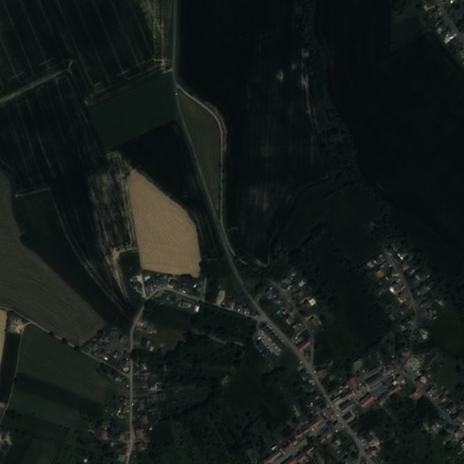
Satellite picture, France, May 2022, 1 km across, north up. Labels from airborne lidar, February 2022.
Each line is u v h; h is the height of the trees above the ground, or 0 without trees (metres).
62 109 0
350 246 0
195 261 0
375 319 0
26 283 0
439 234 0
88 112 0
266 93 0
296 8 0
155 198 0
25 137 0
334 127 0
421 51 0
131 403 0
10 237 0
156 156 0
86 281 0
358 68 0
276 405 0
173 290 0
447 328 0
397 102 0
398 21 0
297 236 0
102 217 0
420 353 0
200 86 0
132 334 0
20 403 0
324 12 0
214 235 0
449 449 12
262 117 0
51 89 0
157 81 0
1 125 0
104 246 0
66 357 0
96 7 0
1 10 0
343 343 0
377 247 0
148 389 0
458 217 0
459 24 10
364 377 0
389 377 0
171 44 0
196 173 0
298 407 0
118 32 0
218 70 0
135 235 0
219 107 0
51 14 0
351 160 17
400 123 0
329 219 0
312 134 0
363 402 0
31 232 0
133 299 0
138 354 7
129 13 0
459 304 18
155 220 0
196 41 0
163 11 0
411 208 0
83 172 0
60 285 0
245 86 0
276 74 0
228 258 0
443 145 0
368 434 0
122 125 0
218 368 0
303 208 0
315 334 0
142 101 0
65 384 0
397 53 0
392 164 0
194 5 0
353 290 0
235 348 9
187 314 0
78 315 0
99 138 0
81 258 0
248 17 0
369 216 0
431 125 0
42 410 0
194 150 0
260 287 10
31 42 0
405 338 10
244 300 0
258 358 0
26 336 0
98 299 0
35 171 0
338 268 0
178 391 0
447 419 0
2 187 0
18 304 0
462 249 0
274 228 0
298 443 0
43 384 0
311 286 11
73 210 0
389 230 16
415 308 0
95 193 0
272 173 0
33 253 0
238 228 0
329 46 0
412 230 0
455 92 0
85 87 0
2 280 0
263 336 0
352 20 0
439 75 0
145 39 0
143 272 0
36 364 0
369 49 0
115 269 0
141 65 0
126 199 0
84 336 0
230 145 0
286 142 0
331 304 13
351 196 0
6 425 0
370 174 0
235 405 0
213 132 0
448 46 0
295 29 0
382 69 0
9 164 0
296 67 0
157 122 0
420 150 0
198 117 0
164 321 0
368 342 0
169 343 0
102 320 0
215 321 0
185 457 0
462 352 0
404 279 0
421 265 18
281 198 0
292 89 0
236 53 0
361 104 0
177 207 0
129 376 0
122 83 0
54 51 0
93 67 0
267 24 0
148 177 6
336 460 0
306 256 8
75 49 0
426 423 7
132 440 0
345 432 0
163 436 0
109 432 13
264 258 0
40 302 0
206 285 0
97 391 0
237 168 0
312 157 0
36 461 0
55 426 0
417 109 0
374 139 0
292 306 0
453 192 0
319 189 0
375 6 0
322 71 12
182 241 0
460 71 0
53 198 0
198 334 6
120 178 0
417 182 0
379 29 0
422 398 7
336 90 0
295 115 0
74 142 0
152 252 0
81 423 0
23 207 0
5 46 0
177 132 0
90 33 0
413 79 0
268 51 0
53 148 0
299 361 0
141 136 0
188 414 16
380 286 6
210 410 0
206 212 0
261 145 0
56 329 0
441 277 23
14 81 0
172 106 0
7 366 0
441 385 0
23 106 0
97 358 0
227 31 0
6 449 0
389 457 7
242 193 0
